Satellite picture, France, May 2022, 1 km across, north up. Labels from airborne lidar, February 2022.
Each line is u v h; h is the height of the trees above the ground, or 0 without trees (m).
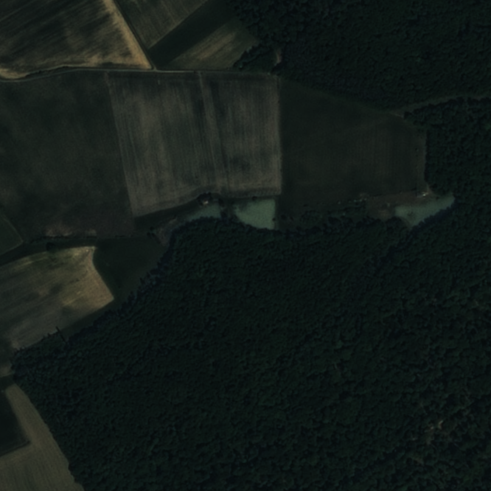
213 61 0
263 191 0
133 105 0
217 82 0
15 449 0
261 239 21
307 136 0
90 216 0
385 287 23
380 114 0
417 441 31
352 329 26
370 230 22
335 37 25
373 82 20
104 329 20
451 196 0
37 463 0
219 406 25
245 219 0
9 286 0
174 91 0
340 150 0
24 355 10
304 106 0
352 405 26
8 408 0
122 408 22
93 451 21
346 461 25
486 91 20
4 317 0
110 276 0
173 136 0
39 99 0
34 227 0
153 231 9
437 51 26
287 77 16
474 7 26
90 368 26
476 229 26
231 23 0
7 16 0
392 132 0
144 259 0
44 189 0
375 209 0
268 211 0
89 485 25
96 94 0
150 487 33
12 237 0
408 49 25
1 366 0
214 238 22
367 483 26
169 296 24
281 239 21
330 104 0
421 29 28
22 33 0
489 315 10
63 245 0
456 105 23
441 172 22
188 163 0
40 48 0
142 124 0
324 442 30
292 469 30
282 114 0
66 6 0
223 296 24
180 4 0
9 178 0
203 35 0
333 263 24
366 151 0
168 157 0
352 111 0
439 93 18
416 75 23
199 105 0
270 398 23
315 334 17
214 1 0
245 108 0
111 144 0
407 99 17
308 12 29
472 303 28
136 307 21
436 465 31
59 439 19
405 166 0
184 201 0
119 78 0
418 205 0
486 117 22
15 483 0
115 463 29
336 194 0
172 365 21
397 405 22
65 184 0
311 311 22
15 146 0
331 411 29
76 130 0
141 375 21
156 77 0
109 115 0
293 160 0
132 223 0
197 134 0
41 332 0
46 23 0
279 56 0
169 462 29
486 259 26
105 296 0
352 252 24
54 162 0
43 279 0
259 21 31
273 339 24
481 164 23
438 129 18
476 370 28
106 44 0
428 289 20
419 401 30
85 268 0
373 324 27
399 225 13
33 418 0
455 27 25
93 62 0
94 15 0
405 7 20
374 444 26
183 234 17
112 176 0
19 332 0
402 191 0
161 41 0
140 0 0
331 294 23
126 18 0
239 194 0
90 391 20
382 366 24
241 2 22
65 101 0
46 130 0
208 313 21
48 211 0
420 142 0
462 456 31
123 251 0
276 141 0
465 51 25
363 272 25
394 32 22
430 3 21
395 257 27
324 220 0
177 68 0
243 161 0
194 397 24
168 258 20
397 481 34
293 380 27
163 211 0
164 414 22
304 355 27
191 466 26
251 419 24
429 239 25
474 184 27
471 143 22
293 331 26
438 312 28
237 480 30
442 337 30
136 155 0
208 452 28
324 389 30
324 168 0
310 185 0
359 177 0
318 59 26
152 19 0
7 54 0
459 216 24
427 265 23
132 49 0
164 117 0
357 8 22
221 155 0
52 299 0
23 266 0
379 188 0
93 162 0
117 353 23
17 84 0
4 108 0
